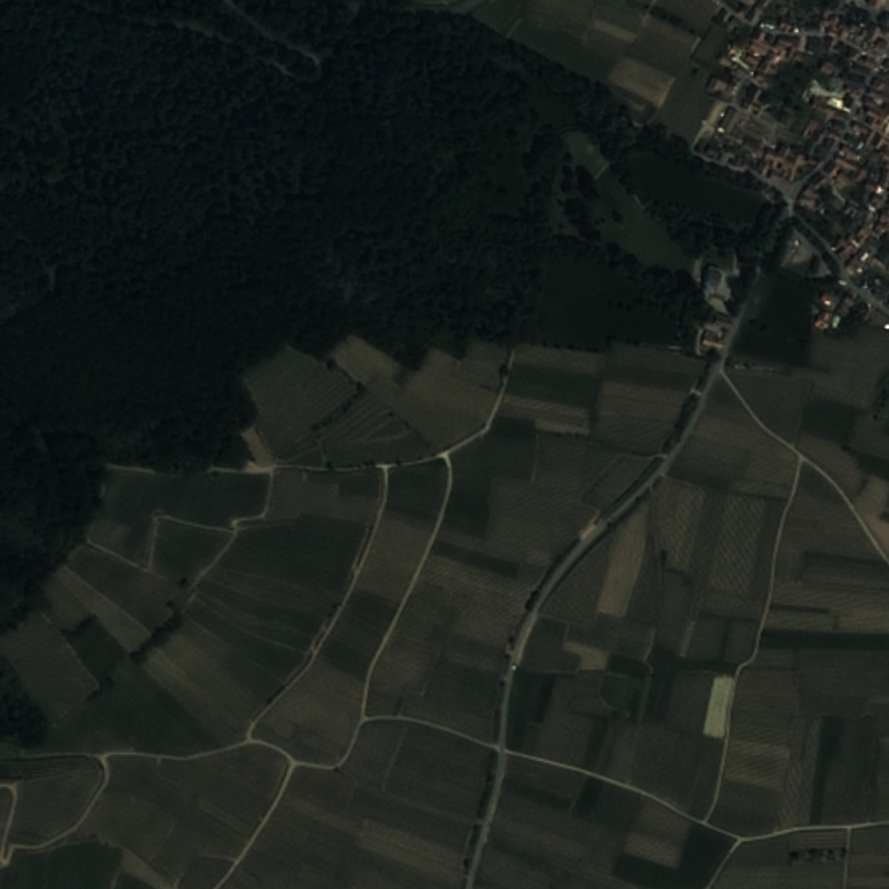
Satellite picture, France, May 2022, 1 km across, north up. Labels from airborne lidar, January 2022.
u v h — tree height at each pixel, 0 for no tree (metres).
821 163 7
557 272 0
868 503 0
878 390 0
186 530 0
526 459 0
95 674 0
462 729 0
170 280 18
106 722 0
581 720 0
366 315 19
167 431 24
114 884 0
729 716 0
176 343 18
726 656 0
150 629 0
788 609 0
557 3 0
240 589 0
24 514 21
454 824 0
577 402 0
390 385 0
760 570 0
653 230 0
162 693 0
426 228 26
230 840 0
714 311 14
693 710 0
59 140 26
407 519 0
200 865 0
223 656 0
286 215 24
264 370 0
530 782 0
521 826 0
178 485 0
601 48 0
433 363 0
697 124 0
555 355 0
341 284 20
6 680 13
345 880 0
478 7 0
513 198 0
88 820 0
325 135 20
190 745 0
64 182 0
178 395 20
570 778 0
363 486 0
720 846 0
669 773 0
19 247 14
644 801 0
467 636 0
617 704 0
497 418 0
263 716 0
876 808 0
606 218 0
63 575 0
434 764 0
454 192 26
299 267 20
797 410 0
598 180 0
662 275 20
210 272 20
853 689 0
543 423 0
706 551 0
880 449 0
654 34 0
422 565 0
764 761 0
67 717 0
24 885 0
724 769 0
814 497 0
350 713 0
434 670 0
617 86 0
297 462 0
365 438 0
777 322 0
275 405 0
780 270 9
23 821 0
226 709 0
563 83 26
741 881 0
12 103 13
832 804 0
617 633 0
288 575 0
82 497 30
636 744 0
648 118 10
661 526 0
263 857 0
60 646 0
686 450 0
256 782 0
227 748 0
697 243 8
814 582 0
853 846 0
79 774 0
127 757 0
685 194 0
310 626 0
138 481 0
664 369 0
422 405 0
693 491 0
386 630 0
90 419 12
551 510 0
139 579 0
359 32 27
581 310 0
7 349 21
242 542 0
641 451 0
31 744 21
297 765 0
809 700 0
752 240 18
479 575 0
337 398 0
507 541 0
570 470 0
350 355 0
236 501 0
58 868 0
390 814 0
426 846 0
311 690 0
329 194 21
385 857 0
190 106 27
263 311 19
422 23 22
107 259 17
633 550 0
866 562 0
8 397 23
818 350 0
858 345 0
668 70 0
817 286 9
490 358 0
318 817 0
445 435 0
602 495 0
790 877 0
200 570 0
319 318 20
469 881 0
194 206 10
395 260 25
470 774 0
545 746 0
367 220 27
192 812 0
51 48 23
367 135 19
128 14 22
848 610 0
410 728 0
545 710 0
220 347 18
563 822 0
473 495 0
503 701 0
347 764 0
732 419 0
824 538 0
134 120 28
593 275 0
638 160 0
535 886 0
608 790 0
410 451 0
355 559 0
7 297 18
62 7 30
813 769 0
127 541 0
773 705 0
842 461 0
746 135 0
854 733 0
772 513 0
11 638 0
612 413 0
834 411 0
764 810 0
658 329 0
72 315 19
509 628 0
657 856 0
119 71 27
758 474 0
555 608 0
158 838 0
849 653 0
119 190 16
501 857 0
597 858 0
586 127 14
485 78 35
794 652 0
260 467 0
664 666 0
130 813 0
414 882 0
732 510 0
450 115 27
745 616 0
